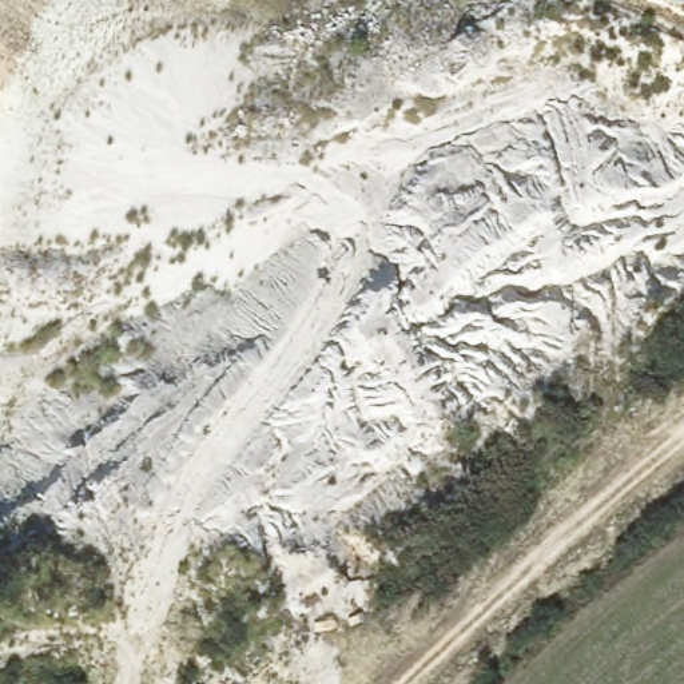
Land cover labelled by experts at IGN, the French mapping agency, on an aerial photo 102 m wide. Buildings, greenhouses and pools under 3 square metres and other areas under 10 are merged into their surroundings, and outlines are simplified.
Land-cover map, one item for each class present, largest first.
<instances>
[{"label":"pervious surface","instance_id":"1","mask_svg":"<svg viewBox=\"0 0 684 684\"><path fill-rule=\"evenodd\" d=\"M537 0H0V529H5L13 521H27L29 516H51L59 534L67 542H72L75 548L94 545L107 558L112 590L128 607L126 620L91 625L86 623L83 612L69 609L67 625L16 631V644H5L0 639V665H5L11 655L21 657L48 652L53 660H59L67 649H77V668L88 673V684H470L481 647H489L494 655H502L508 647V631H513L532 612V604L537 599L561 593L577 580L582 569H590L599 558H609L617 534L641 516L644 505L663 497L673 484L684 478V382H676L671 387L665 403H655L633 393L631 382L625 379L628 369L623 366V355L617 353L623 334L628 331L633 337H644L652 331L655 321L663 313L671 310V305L679 299L684 289V0H580L569 13L561 16L558 24L542 19L534 24H524V13L534 8ZM355 19L366 21L369 27L371 53L358 56L350 48L334 51L329 61L334 80L321 86V69L315 59L321 45ZM120 318L123 334L118 339V363L99 366L102 374H115L120 385L112 395L83 393L72 398V379H64L59 387H51L45 382L53 369L94 347L110 331L112 321ZM553 371L566 377V385L574 398L596 393L604 401L599 422L588 433L590 444L596 446L593 454L580 460V465L558 486L548 489L540 497L537 510L526 521V526H521L502 548L492 550L489 558L478 561L468 574H462L457 588L446 599H436V604L425 612L422 620H411V612L419 601L417 593L401 599L390 609H379L366 596L369 574L377 569V561L395 564L398 556L390 550V545L374 548L363 537L366 524L379 521L390 510H403L414 505L417 497H422L425 492H438L444 481L452 476L460 478V457L481 452L494 430L513 433L521 419L529 422L542 401L540 395H534L532 385L537 379L550 377ZM265 524L273 564L281 572L286 599V609L291 612V628L286 633L267 639L270 652L265 663L251 676H240L238 671L227 668L214 671L211 660L203 655L198 657V663H184L176 652V631L166 628L163 623L171 604L182 609L187 604L200 601V593L192 590L179 574V561L184 558L187 548L211 545L224 534H240L248 542V548L257 550V526Z\"/></svg>","mask_w":684,"mask_h":684},{"label":"brushwood","instance_id":"2","mask_svg":"<svg viewBox=\"0 0 684 684\"><path fill-rule=\"evenodd\" d=\"M580 0H537L534 8L524 13V24H534L542 19L558 24L561 16L569 13ZM350 48L358 56L371 53L369 27L366 21L355 19L321 45L315 59L321 69V86L334 80L329 61L334 51ZM641 350L647 353V363L641 369H628L625 379L631 382L633 393L655 403H665L671 387L676 382H684V289L679 299L671 305V310L663 313L655 321L652 331L644 337ZM123 334L120 318L112 321L110 331L94 347L53 369L45 382L51 387H59L64 379H72V398L83 393L112 395L120 385L115 374H102L99 366L118 363V339ZM684 524V478L673 484L663 497L644 505L641 516L617 534L609 558H599L590 569H582L577 580L561 593L537 599L532 604V612L513 631H508V647L502 655H494L489 647H481L470 684H502V676L510 673L521 660L534 657L564 620H572L599 593L612 590L620 580H625L628 572L636 564H641L652 550L671 542L676 537V526ZM69 609L83 612L86 623L91 625L126 620L128 607L112 590L107 558L94 545L75 548L72 542H67L59 534L51 516H29L27 521H13L5 529H0V639L5 644H16V631L67 625ZM286 599L281 572L267 582V590L262 593L257 588H230L219 599H206V612L214 617V623L198 639L203 655L211 660L214 671L227 668L232 652L238 647H246L248 641L243 615L267 607L270 601ZM0 684H88V673L77 668V649H67L59 660H53L48 652L21 657L11 655L5 665H0Z\"/></svg>","mask_w":684,"mask_h":684},{"label":"herbaceous vegetation","instance_id":"3","mask_svg":"<svg viewBox=\"0 0 684 684\"><path fill-rule=\"evenodd\" d=\"M644 337H633L628 331L623 334L617 353L623 355V366L628 369H641L647 363V353L641 350ZM534 395H540L542 401L529 422L521 419L513 433L494 430L481 452L460 457V478L452 476L444 481L438 492H425L422 497H417L414 505L403 510H390L379 521L366 524L363 537L374 548L390 545V550L398 556L395 564L377 561V569L369 574L366 596L379 609H390L401 599L417 593L419 601L411 612V620H422L425 612L436 604V599H446L457 588L462 574H468L478 561L489 558L492 550L502 548L521 526H526V521L537 510L540 497L548 489L558 486L580 465V460L593 454L596 446L590 444L588 433L599 422L604 401L596 393L574 398L566 385V377L553 371L550 377L537 379L532 385ZM257 550L248 548V542L240 534H224L211 545L187 548L184 558L179 561V574L192 590L200 593V601L187 604L182 609L171 604L163 623L166 628L176 631V652L184 663H198V657L203 655L198 639L214 623V617L206 612V599H219L230 588H257L262 593L267 590V582L281 572L273 564L265 524L257 526ZM248 641L246 647H238L232 652L227 668L238 671L240 676H251L265 663L270 652L267 639L286 633L291 628V612L286 609V599L270 601L267 607L243 615Z\"/></svg>","mask_w":684,"mask_h":684},{"label":"agricultural land","instance_id":"4","mask_svg":"<svg viewBox=\"0 0 684 684\"><path fill-rule=\"evenodd\" d=\"M502 684H684V524L676 526V537L671 542L652 550L641 564H636L628 572L625 580H620L612 590L599 593L572 620H564L534 657L521 660L510 673L502 676Z\"/></svg>","mask_w":684,"mask_h":684}]
</instances>
